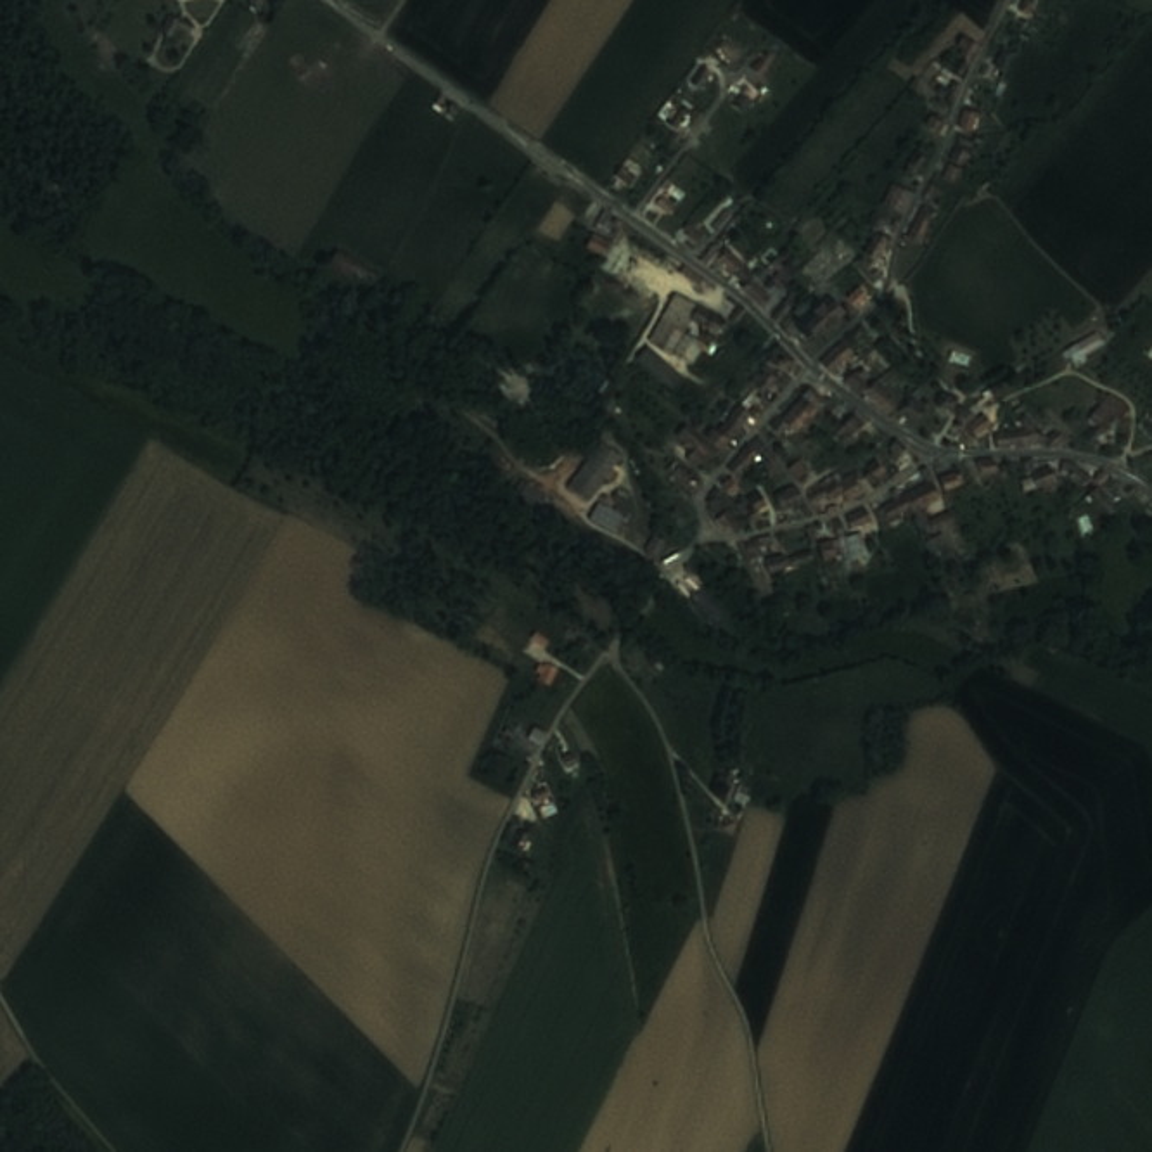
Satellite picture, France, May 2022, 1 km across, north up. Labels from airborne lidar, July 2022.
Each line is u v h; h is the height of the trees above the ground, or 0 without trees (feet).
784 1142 0
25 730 0
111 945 0
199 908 0
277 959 0
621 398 28
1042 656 0
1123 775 0
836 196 20
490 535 90
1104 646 82
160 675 0
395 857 0
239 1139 0
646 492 29
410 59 0
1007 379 48
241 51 0
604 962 0
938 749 0
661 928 0
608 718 0
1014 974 0
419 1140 0
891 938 0
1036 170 0
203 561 0
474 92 0
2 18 59
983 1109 0
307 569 0
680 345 0
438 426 81
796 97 0
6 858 0
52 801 0
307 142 0
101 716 0
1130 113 0
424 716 0
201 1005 0
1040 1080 0
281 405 73
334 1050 0
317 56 0
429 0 0
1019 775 0
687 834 0
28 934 0
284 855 0
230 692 0
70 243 67
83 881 0
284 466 62
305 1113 0
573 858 0
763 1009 0
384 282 19
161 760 0
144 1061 0
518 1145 0
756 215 22
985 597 0
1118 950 0
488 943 0
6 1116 58
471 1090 0
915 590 0
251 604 0
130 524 0
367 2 0
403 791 0
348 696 0
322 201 0
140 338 120
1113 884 0
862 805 0
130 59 37
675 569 0
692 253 0
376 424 96
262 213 0
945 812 0
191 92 0
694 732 0
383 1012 0
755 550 0
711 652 0
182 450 0
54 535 0
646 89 0
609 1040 0
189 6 0
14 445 0
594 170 0
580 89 0
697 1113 0
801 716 0
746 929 0
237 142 0
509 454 0
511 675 57
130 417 0
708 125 0
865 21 0
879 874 0
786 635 38
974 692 0
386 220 0
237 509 0
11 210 85
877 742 72
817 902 0
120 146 73
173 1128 0
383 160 0
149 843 0
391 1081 0
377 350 83
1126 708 0
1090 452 0
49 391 0
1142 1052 0
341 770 0
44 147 62
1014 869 0
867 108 0
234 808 0
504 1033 0
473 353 88
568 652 20
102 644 0
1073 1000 0
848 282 0
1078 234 0
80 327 86
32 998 0
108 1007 0
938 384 26
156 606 0
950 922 0
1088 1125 0
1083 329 0
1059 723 0
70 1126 51
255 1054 0
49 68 75
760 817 0
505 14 0
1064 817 0
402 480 91
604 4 0
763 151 0
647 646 26
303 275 58
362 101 0
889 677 0
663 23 0
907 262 0
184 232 0
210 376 106
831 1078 0
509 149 0
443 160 0
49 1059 0
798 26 0
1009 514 17
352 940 0
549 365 73
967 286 0
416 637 0
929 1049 0
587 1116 0
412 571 48
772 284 20
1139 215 0
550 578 66
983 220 0
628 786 0
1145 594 0
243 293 0
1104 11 0
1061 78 0
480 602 96
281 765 0
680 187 0
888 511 0
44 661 0
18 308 50
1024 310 0
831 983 0
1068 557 0
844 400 0
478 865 0
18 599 0
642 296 0
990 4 0
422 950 0
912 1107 0
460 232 0
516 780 31
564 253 0
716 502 0
